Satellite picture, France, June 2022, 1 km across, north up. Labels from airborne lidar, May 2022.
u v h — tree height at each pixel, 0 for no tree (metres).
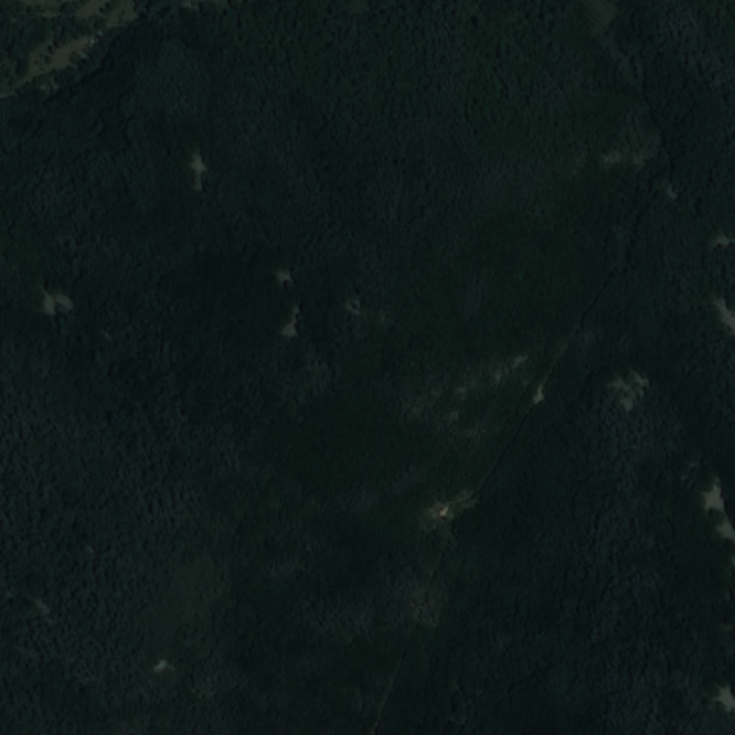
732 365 7
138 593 6
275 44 15
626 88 13
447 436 10
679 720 13
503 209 14
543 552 22
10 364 8
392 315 8
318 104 22
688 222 23
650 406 11
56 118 23
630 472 12
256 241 19
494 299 19
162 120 26
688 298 15
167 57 31
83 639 13
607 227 19
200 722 15
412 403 6
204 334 15
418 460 14
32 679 10
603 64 17
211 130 25
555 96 21
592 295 25
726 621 14
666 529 18
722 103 20
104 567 10
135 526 8
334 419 13
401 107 15
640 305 18
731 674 15
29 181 15
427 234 18
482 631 10
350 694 13
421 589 7
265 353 21
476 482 11
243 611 13
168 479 14
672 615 15
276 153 16
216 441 13
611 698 12
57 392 13
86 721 13
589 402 12
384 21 17
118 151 26
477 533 16
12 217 19
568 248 18
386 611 16
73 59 13
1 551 9
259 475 12
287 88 18
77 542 9
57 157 22
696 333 15
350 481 13
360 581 22
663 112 19
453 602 14
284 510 15
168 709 12
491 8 10
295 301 14
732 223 23
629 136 12
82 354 16
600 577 16
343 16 16
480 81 13
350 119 10
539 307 19
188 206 21
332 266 24
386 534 22
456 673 18
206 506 11
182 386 15
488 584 21
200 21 24
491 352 16
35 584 14
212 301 31
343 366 16
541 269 21
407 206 13
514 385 14
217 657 18
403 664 13
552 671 14
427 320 12
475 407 12
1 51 12
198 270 23
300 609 11
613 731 15
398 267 18
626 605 16
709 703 11
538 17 15
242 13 15
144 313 12
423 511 7
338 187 16
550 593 14
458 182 17
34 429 8
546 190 17
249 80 20
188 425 11
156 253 10
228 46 20
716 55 14
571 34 17
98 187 26
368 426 14
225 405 9
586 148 11
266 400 18
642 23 13
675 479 10
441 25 13
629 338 19
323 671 20
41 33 19
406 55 15
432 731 20
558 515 14
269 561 12
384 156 24
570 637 14
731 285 19
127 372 22
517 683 14
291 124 17
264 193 17
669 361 21
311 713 14
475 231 17
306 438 14
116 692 7
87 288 15
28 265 21
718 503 0
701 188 18
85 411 15
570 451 13
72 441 9
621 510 11
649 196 17
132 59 27
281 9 10
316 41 17
